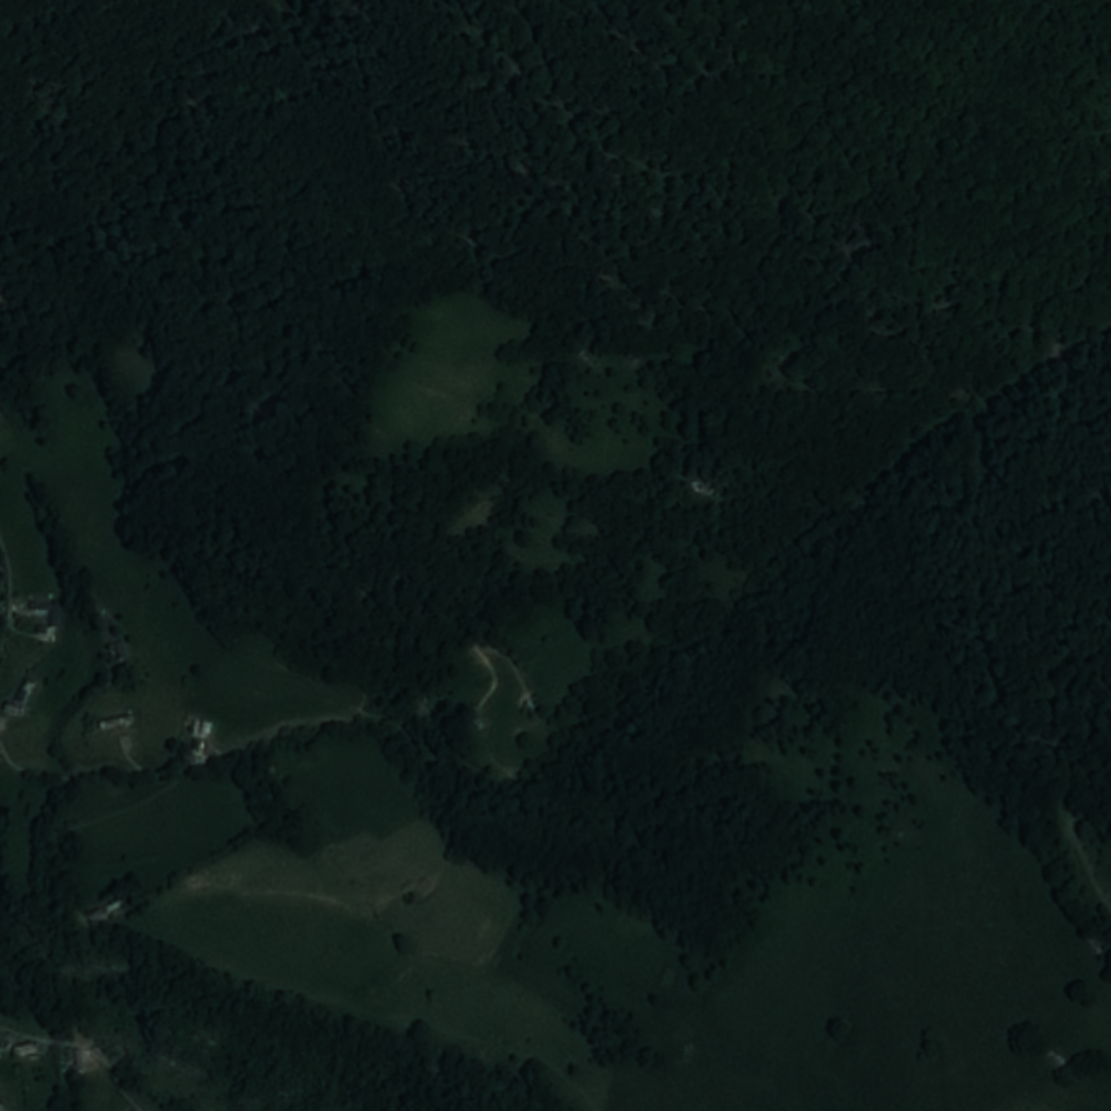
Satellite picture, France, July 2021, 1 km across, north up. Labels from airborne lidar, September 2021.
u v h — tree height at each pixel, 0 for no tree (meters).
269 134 32
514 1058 8
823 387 31
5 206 35
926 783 0
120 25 17
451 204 30
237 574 17
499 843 34
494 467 18
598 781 24
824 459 25
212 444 37
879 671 21
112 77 25
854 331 29
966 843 0
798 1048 0
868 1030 0
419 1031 14
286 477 25
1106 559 31
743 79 10
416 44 27
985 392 27
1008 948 0
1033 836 26
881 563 27
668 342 20
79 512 0
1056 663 26
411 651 22
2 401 8
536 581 22
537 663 0
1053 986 0
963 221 26
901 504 28
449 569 25
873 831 0
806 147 22
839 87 16
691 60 25
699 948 23
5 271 23
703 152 28
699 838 31
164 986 8
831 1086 0
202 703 0
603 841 32
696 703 30
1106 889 0
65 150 28
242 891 0
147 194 34
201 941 0
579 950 0
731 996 0
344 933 0
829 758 0
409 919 0
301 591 28
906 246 26
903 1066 0
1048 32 20
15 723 0
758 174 26
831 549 31
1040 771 27
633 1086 0
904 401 25
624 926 0
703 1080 0
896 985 0
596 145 25
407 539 21
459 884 0
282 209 28
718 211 29
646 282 28
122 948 8
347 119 32
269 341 33
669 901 26
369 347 21
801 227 32
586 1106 0
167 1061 6
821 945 0
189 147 39
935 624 25
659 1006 9
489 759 0
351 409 22
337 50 33
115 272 35
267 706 0
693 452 22
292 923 0
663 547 22
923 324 21
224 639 15
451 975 0
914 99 19
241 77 34
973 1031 0
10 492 0
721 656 24
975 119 23
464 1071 22
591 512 16
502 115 27
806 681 18
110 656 11
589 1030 15
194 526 21
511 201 25
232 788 0
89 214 35
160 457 36
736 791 40
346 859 0
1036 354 19
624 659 9
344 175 28
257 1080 7
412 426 0
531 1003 0
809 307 19
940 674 28
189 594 9
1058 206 25
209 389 32
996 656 35
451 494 11
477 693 0
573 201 28
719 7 16
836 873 0
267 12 35
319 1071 12
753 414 14
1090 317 28
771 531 22
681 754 31
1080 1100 0
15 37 23
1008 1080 0
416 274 31
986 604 20
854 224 31
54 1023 24
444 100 29
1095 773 19
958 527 33
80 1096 13
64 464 0
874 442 26
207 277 29
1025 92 20
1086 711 24
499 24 29
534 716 9
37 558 0
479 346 0
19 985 11
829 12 21
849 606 26
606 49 26
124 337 22
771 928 0
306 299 37
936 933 0
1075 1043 0
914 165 32
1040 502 29
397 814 0
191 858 0
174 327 29
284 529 28
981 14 26
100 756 0
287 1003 19
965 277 26
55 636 0
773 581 16
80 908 16
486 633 25
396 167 27
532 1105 22
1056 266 30
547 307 30
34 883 10
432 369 0
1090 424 22
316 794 0
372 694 7
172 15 28
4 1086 0
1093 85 12
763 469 20
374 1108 15
